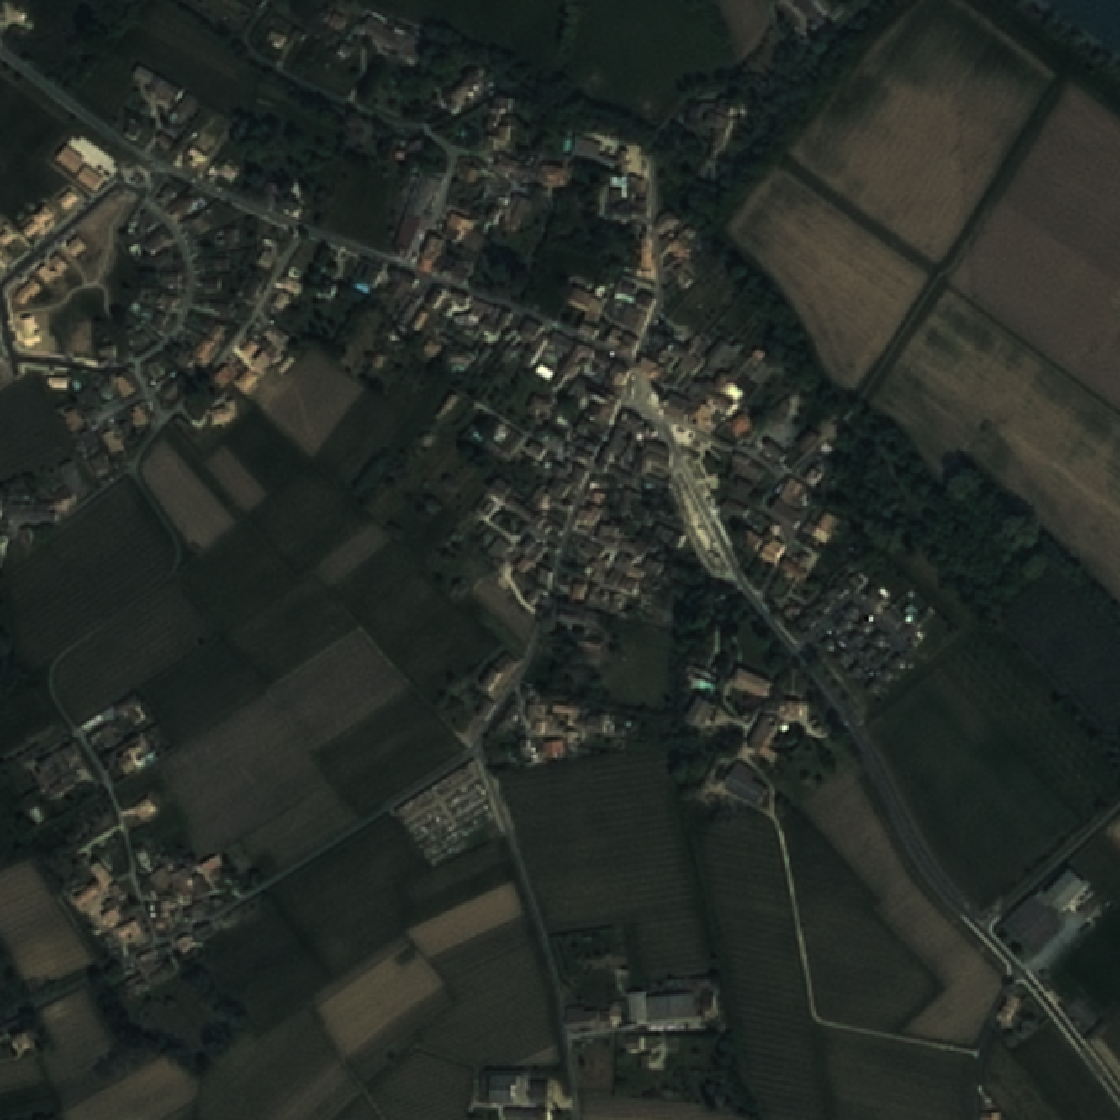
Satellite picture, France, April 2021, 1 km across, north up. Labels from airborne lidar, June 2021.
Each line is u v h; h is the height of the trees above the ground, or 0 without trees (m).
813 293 0
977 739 0
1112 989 0
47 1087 0
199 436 10
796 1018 0
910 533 33
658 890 0
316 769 0
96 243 0
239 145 16
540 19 0
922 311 0
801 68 21
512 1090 0
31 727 0
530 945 0
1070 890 0
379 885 0
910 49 0
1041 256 0
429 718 0
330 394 0
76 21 0
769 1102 0
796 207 0
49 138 0
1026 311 0
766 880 0
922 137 0
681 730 8
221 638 0
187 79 0
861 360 0
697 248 0
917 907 0
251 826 0
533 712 0
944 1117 0
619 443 0
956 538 19
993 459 0
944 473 0
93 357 0
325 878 0
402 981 0
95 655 0
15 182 0
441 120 8
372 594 0
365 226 0
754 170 19
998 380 0
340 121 14
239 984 0
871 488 17
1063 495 0
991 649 8
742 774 0
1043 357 0
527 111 16
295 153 6
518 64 9
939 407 0
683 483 9
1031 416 0
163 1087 0
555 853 0
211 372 9
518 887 0
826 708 14
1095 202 0
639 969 0
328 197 8
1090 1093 0
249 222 7
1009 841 0
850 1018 0
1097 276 0
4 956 12
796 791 0
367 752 0
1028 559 19
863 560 16
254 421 0
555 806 0
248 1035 17
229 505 0
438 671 0
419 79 17
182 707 0
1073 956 0
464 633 0
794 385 9
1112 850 0
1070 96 0
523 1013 0
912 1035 0
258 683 0
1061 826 0
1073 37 11
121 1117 0
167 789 0
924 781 0
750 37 0
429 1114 0
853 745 12
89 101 0
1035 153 0
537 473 10
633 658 0
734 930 0
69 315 0
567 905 0
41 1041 7
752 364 0
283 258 0
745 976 0
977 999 0
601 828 0
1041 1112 0
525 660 0
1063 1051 0
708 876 0
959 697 0
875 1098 0
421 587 0
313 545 0
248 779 0
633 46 0
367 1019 0
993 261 0
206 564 0
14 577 0
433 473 0
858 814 0
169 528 0
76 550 0
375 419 0
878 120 0
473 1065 0
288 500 0
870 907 0
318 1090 0
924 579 0
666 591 8
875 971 0
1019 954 14
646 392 0
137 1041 11
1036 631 16
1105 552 0
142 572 0
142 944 0
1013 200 0
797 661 8
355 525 0
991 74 0
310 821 0
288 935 0
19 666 20
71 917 0
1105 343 0
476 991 0
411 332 9
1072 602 17
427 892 0
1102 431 0
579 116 17
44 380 0
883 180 0
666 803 0
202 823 0
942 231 0
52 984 8
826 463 8
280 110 0
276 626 0
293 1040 0
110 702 0
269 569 0
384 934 0
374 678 0
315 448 0
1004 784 0
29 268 0
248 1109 0
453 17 0
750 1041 0
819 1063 0
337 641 0
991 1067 0
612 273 12
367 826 0
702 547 7
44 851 11
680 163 8
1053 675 14
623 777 0
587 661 12
